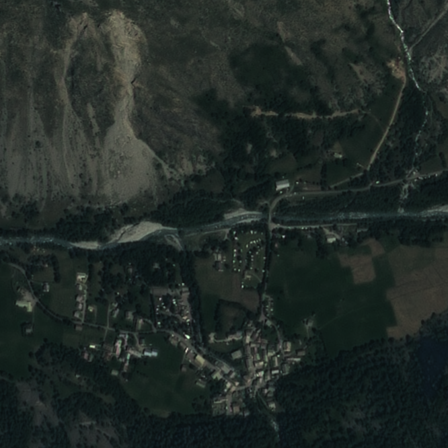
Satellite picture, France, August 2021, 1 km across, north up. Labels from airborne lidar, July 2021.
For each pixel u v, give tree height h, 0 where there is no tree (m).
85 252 20
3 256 18
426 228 14
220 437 25
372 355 8
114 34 0
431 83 7
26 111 0
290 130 21
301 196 0
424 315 0
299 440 17
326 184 11
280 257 0
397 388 15
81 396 8
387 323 0
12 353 0
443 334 5
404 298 0
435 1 0
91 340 0
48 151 0
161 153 8
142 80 0
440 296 0
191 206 8
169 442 26
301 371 8
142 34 0
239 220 0
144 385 0
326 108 9
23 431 16
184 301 0
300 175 0
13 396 19
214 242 9
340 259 0
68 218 12
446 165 11
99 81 18
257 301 0
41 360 8
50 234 13
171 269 18
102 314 0
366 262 0
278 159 11
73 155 0
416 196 8
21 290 0
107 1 0
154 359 0
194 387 0
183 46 0
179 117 9
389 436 8
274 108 20
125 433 21
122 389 13
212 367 0
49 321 0
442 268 0
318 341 6
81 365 21
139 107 0
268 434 22
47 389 0
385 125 0
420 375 9
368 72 0
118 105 0
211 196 13
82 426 12
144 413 9
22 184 0
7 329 0
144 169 0
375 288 0
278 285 0
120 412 13
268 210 12
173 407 0
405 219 9
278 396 10
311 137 9
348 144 0
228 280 0
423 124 11
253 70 0
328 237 0
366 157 0
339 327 0
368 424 9
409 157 8
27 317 0
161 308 8
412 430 12
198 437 29
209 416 8
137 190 0
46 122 0
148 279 12
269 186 20
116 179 0
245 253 0
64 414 16
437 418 8
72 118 0
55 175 0
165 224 9
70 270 0
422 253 0
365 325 0
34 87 0
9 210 0
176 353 0
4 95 0
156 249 16
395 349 11
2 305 0
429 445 7
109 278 15
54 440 11
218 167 14
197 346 8
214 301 0
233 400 0
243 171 13
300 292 0
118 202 0
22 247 14
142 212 0
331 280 0
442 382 18
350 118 8
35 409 11
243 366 0
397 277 0
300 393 11
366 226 10
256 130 15
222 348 0
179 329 7
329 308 0
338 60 7
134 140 0
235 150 9
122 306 18
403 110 7
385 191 16
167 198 0
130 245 17
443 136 11
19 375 0
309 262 0
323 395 13
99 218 15
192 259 20
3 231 14
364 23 0
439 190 11
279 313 0
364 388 18
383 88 6
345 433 17
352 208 13
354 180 8
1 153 0
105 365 9
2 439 11
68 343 0
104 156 0
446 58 0
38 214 15
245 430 19
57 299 0
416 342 11
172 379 0
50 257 7
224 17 0
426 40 0
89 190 0
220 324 12
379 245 0
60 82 0
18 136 0
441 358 13
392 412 9
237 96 6
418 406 8
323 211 12
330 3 0
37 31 0
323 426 9
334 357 0
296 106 6
